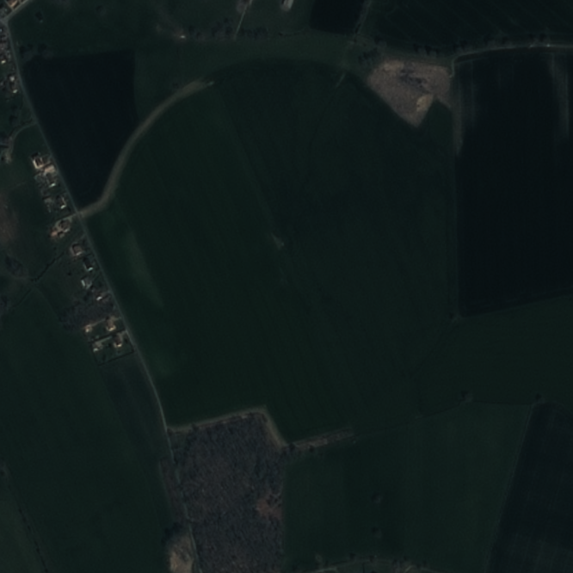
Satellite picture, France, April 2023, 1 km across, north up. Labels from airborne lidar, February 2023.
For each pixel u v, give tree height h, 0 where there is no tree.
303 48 0
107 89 0
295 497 0
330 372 0
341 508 0
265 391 0
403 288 0
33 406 0
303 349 0
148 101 0
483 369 0
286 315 0
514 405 0
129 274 0
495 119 0
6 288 0
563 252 0
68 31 0
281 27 0
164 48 0
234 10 0
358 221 0
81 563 0
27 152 0
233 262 0
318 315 0
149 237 0
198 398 0
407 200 0
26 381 0
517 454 0
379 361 0
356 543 0
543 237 0
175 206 0
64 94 0
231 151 0
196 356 0
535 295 0
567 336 0
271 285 0
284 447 0
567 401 0
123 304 0
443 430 0
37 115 0
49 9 0
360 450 0
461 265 0
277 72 0
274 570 12
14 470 0
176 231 0
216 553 22
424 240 0
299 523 0
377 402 0
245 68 0
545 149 0
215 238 0
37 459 0
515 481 0
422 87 0
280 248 0
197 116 0
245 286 0
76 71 0
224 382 0
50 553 0
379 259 0
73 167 0
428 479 0
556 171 0
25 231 0
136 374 0
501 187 0
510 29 0
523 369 0
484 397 0
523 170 0
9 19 0
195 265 0
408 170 0
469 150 0
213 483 23
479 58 0
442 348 0
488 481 0
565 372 0
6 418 0
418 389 0
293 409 0
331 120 0
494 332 0
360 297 0
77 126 0
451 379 0
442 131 0
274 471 22
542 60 0
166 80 0
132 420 0
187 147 0
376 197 0
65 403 0
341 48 0
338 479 0
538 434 0
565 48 0
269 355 0
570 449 0
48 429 0
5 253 0
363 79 0
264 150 0
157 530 0
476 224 0
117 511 0
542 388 0
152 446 0
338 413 0
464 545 0
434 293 0
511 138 0
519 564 0
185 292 0
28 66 0
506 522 0
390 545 0
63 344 0
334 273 0
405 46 0
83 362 0
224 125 0
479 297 0
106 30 0
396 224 0
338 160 0
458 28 0
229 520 16
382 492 0
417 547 0
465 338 0
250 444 24
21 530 0
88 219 0
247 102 0
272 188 0
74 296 0
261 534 22
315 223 0
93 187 0
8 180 0
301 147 0
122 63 0
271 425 0
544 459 0
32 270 0
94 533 0
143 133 0
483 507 0
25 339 0
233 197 0
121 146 0
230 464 24
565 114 0
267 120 0
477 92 0
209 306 0
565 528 0
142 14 0
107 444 0
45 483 0
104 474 0
